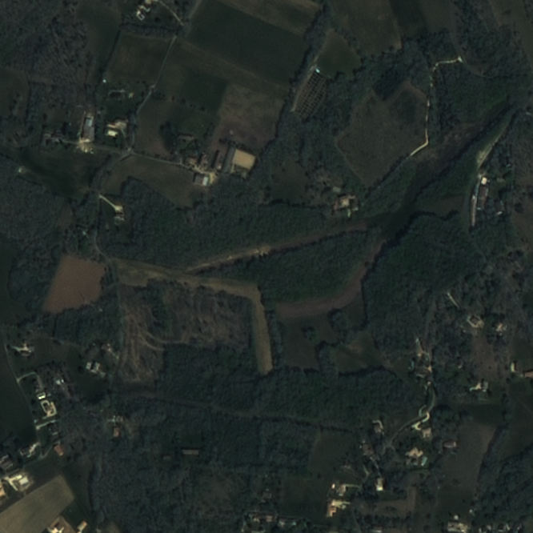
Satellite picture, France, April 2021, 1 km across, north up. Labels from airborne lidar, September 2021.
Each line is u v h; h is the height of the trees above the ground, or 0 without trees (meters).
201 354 11
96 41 0
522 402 0
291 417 19
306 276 16
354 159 0
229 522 10
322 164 13
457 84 15
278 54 0
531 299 0
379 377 22
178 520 16
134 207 16
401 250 23
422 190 11
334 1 0
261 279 18
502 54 14
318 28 18
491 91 20
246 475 14
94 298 0
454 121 16
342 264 21
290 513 0
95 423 24
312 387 18
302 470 12
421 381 13
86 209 18
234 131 0
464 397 22
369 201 15
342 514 0
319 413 17
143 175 0
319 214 17
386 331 18
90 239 16
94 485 22
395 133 0
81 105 0
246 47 0
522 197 12
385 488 9
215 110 0
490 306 13
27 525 0
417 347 18
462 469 0
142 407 11
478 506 14
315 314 0
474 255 21
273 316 11
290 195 0
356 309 0
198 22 0
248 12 0
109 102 0
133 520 22
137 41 0
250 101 0
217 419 8
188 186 0
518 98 17
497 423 0
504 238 21
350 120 12
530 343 16
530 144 15
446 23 0
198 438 0
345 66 0
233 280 10
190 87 0
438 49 14
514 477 18
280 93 0
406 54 18
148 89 12
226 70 0
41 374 9
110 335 17
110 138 0
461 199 0
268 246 14
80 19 0
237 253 16
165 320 24
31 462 0
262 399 22
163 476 14
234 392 13
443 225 17
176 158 12
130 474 21
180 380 9
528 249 0
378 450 19
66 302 0
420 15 0
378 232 18
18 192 18
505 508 13
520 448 0
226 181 16
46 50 18
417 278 16
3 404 0
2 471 10
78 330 9
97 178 14
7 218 16
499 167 15
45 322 6
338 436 13
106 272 6
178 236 19
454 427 17
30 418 0
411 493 0
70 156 0
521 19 0
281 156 9
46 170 0
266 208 17
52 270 6
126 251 18
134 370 0
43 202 19
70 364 0
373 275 18
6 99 0
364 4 0
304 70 15
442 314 15
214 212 13
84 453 14
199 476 6
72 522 0
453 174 17
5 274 0
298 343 0
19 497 0
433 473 15
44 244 7
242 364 12
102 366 0
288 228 21
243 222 13
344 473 0
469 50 9
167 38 19
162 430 11
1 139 16
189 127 0
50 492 0
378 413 18
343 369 0
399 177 19
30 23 18
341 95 16
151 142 0
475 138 7
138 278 0
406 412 20
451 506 0
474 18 11
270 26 0
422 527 0
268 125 0
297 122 20
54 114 0
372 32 0
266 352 0
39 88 14
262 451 13
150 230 18
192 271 0
